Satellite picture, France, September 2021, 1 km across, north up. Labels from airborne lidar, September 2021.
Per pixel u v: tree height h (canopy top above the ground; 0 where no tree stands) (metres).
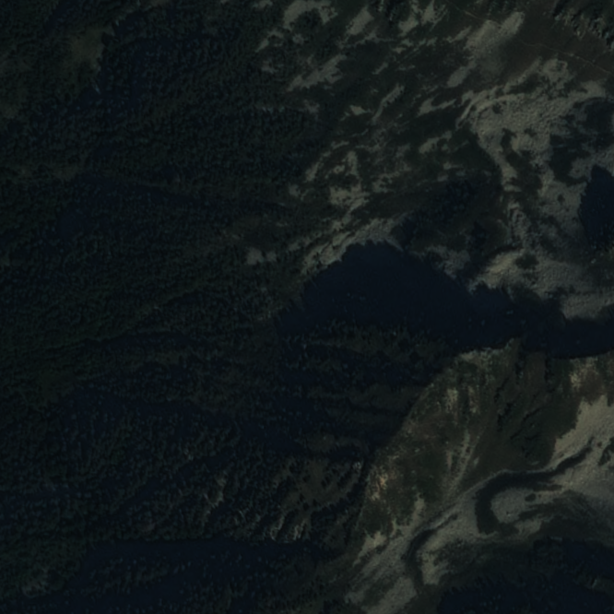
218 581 11
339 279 0
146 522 24
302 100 0
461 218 0
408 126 0
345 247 0
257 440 9
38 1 7
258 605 12
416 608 0
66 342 10
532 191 0
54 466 23
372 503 0
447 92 0
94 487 21
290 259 5
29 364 14
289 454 9
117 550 0
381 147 0
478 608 9
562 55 0
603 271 0
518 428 0
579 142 0
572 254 0
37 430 24
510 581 0
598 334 0
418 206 0
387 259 0
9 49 8
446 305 0
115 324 15
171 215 9
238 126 6
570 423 0
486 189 0
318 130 0
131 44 10
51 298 10
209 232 6
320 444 0
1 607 14
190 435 18
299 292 0
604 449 0
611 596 0
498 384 0
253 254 0
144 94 18
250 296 7
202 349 8
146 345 9
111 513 12
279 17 6
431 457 0
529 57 0
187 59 20
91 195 13
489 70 0
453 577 0
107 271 10
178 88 25
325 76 0
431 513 0
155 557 16
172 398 9
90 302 9
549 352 0
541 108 0
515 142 0
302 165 0
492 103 0
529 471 0
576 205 0
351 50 0
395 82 0
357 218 0
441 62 0
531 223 0
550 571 0
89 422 27
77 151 18
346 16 0
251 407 9
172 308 10
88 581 27
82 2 25
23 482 21
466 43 0
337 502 0
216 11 5
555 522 0
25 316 8
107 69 17
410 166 0
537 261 0
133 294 13
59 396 7
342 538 0
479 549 0
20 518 16
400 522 0
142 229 8
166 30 7
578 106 0
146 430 15
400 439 0
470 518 0
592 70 0
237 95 8
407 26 0
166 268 6
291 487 13
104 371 7
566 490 0
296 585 0
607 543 0
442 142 0
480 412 0
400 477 0
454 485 0
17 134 22
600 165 0
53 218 15
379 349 0
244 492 9
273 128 16
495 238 0
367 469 9
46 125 20
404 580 0
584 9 0
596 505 0
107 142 13
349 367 9
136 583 32
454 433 0
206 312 10
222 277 10
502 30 0
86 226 17
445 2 0
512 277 0
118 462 13
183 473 8
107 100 25
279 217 6
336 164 0
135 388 10
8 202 16
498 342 7
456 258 0
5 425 16
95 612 23
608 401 0
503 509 0
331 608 7
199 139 8
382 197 0
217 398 9
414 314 10
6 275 11
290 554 11
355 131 0
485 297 0
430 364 0
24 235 16
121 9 10
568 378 0
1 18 14
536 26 0
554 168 0
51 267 18
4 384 11
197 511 24
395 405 0
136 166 15
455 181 0
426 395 0
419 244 0
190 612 23
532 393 0
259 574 7
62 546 13
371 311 10
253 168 8
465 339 5
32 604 7
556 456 0
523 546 0
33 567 11
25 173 0
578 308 0
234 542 11
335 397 11
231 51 21
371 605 0
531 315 0
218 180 8
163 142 10
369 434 0
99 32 0
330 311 8
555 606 0
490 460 0
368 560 0
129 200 13
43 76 8
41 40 10
